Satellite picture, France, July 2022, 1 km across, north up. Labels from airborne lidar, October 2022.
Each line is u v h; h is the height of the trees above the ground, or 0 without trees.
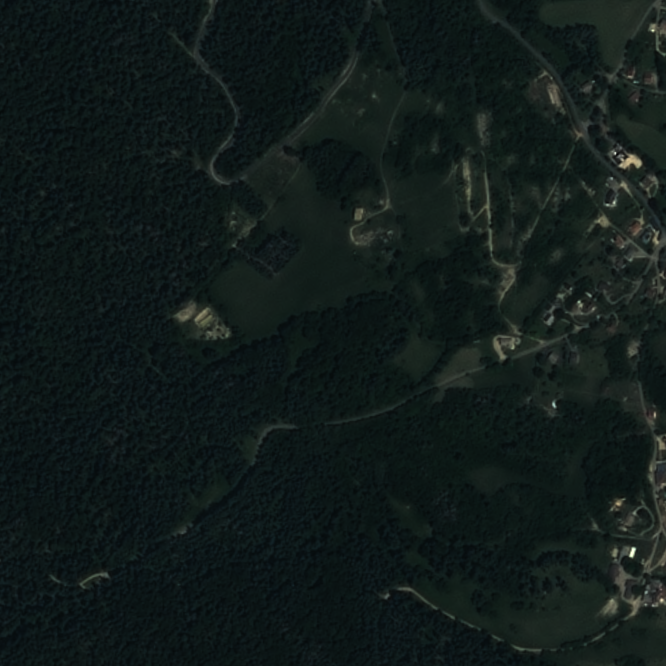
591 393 0
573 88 17
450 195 0
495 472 0
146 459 6
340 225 0
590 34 18
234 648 17
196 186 22
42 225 14
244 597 24
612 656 0
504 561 19
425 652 26
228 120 11
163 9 23
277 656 16
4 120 15
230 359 11
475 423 7
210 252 18
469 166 0
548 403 0
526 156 10
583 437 8
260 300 0
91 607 26
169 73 11
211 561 27
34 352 19
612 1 0
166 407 29
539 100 0
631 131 0
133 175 17
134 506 24
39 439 26
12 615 37
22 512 22
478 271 10
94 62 13
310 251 0
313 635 24
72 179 7
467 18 6
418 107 0
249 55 21
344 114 0
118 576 28
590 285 13
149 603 30
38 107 21
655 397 16
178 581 25
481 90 13
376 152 0
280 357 23
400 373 7
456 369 0
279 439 7
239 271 0
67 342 19
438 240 0
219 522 26
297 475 16
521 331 8
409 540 22
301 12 33
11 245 22
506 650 19
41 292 11
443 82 19
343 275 0
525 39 15
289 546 25
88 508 22
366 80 0
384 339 25
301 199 0
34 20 21
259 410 18
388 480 19
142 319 16
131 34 19
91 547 30
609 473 7
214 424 22
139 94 17
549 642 0
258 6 13
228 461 27
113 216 13
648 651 0
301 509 22
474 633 27
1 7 21
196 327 0
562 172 8
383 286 0
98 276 17
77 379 15
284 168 0
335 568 33
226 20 18
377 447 12
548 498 7
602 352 0
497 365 10
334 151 14
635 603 0
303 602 27
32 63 15
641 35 0
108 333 32
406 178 6
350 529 7
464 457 20
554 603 0
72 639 23
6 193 23
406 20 18
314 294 0
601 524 6
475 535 10
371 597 34
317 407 19
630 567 14
